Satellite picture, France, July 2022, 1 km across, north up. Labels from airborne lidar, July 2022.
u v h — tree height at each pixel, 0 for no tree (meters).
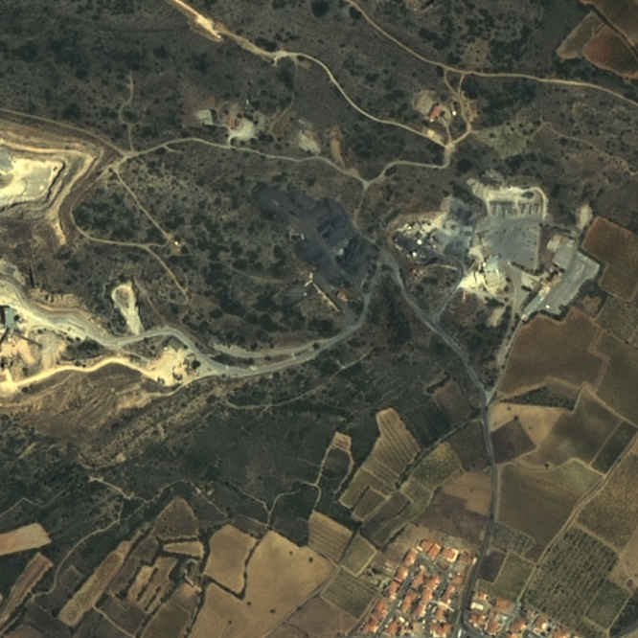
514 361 0
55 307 0
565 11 0
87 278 0
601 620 0
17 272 0
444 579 0
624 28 0
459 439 0
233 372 0
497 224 0
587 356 0
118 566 0
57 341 0
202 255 0
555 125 0
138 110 0
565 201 0
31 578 0
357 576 0
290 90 0
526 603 0
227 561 0
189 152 0
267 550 0
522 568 0
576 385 0
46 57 0
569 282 0
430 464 0
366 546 0
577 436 0
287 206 0
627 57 0
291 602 0
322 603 0
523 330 0
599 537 0
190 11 0
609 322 0
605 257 0
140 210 0
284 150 0
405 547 0
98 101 0
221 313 0
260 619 0
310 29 0
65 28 0
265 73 0
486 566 0
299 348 0
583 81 0
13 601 0
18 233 0
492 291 0
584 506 0
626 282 0
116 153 0
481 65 0
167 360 0
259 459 0
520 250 0
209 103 0
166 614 0
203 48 0
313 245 0
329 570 0
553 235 0
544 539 0
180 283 0
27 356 0
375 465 0
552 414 0
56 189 0
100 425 0
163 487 0
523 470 0
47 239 0
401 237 0
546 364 0
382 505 0
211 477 7
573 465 0
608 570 0
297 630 0
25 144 0
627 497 0
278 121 0
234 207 0
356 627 0
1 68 0
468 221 0
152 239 0
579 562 0
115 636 0
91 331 0
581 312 0
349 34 0
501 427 0
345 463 0
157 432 8
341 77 0
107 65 0
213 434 0
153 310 0
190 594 0
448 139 0
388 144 0
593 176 0
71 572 0
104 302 9
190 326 0
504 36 0
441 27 0
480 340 7
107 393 0
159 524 0
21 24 0
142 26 0
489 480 0
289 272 0
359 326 0
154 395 0
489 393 0
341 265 0
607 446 0
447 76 0
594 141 0
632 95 0
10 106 0
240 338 0
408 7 0
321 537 0
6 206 0
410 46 0
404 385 0
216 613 0
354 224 0
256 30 0
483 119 0
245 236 0
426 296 0
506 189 0
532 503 0
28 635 0
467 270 0
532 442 0
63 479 12
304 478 0
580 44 0
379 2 0
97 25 0
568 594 0
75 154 0
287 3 0
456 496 0
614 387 0
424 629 0
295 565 0
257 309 0
